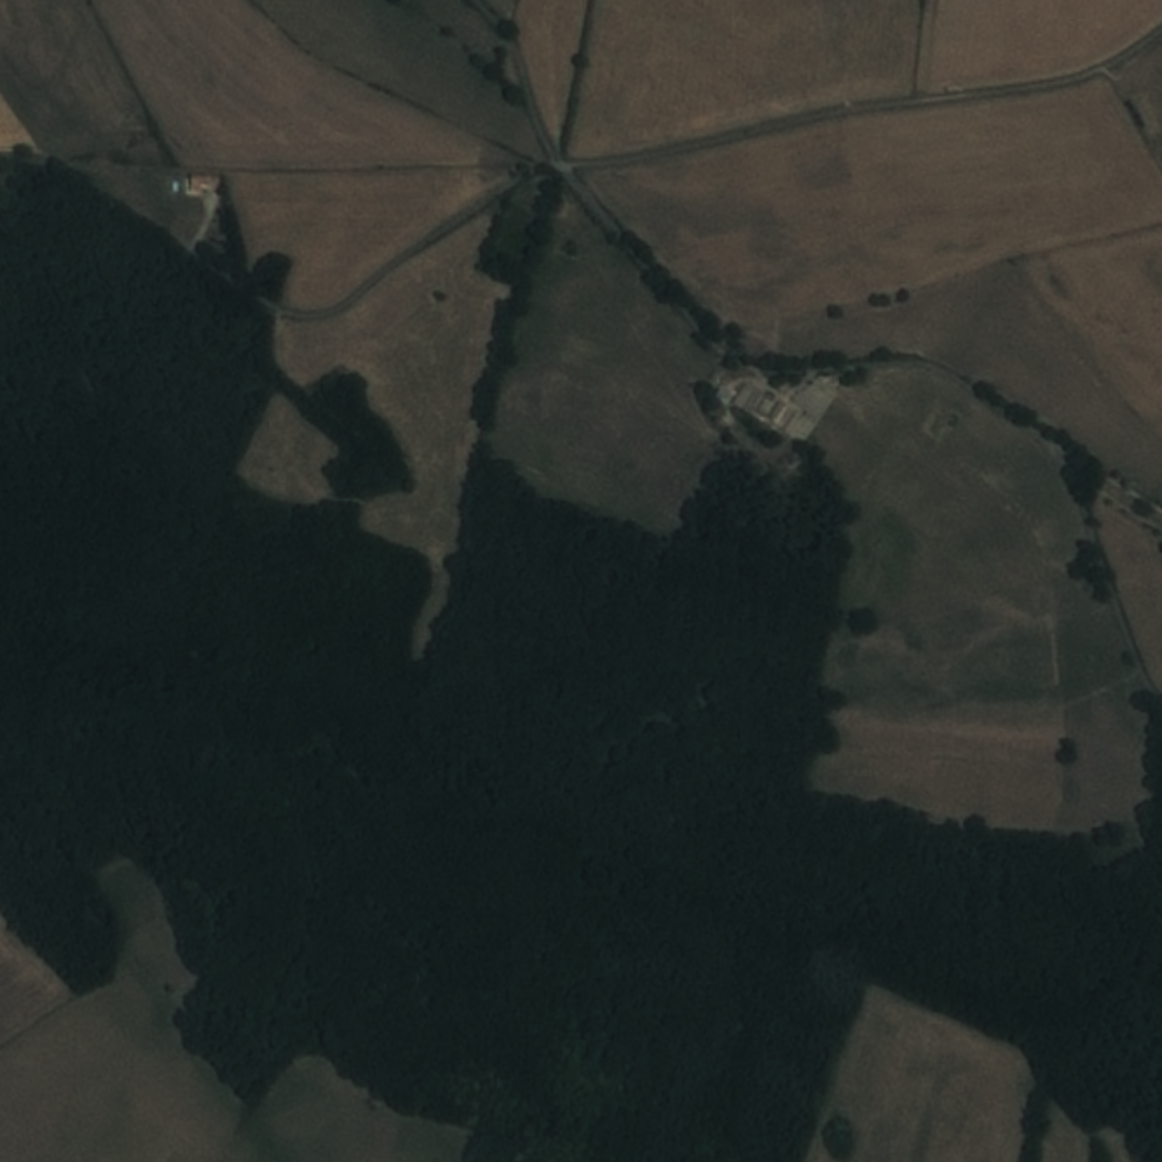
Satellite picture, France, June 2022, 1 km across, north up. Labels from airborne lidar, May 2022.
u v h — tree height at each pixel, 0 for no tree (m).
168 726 26
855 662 0
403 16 0
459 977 22
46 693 25
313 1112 0
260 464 0
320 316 0
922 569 0
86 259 13
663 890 15
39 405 22
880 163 0
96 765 28
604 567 22
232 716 21
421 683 15
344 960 22
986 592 0
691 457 0
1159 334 0
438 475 0
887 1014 0
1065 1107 16
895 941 26
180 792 28
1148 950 29
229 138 0
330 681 13
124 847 18
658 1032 16
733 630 17
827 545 21
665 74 0
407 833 22
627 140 0
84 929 22
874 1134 0
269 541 12
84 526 24
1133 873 22
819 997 15
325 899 24
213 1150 0
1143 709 14
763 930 17
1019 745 0
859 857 22
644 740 16
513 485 12
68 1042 0
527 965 19
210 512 17
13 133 0
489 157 0
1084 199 0
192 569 17
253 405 13
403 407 0
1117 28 0
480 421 16
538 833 22
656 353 0
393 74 0
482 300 0
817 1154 0
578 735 15
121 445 21
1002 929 22
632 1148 21
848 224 0
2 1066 0
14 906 13
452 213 0
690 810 13
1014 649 0
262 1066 17
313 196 0
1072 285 0
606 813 18
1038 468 0
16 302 12
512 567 22
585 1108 16
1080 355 0
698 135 0
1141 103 0
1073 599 0
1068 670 0
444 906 22
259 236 0
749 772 21
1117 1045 16
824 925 25
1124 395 0
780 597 21
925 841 17
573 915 18
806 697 22
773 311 0
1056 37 0
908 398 0
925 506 0
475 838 18
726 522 21
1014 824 0
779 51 0
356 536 9
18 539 25
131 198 0
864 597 0
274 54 0
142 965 0
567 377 0
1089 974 26
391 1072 17
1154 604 0
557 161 0
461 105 0
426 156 0
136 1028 0
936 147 0
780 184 0
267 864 23
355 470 12
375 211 0
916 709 0
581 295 0
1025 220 0
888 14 0
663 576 23
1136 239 0
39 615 24
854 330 0
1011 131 0
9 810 21
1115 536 0
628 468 0
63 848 25
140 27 0
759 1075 23
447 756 27
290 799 24
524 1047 20
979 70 0
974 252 0
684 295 12
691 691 22
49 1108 0
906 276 0
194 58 0
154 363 15
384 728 11
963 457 0
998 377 0
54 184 11
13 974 0
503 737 23
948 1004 13
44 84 0
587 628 14
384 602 11
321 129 0
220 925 17
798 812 22
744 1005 21
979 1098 0
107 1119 0
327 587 8
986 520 0
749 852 21
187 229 0
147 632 20
